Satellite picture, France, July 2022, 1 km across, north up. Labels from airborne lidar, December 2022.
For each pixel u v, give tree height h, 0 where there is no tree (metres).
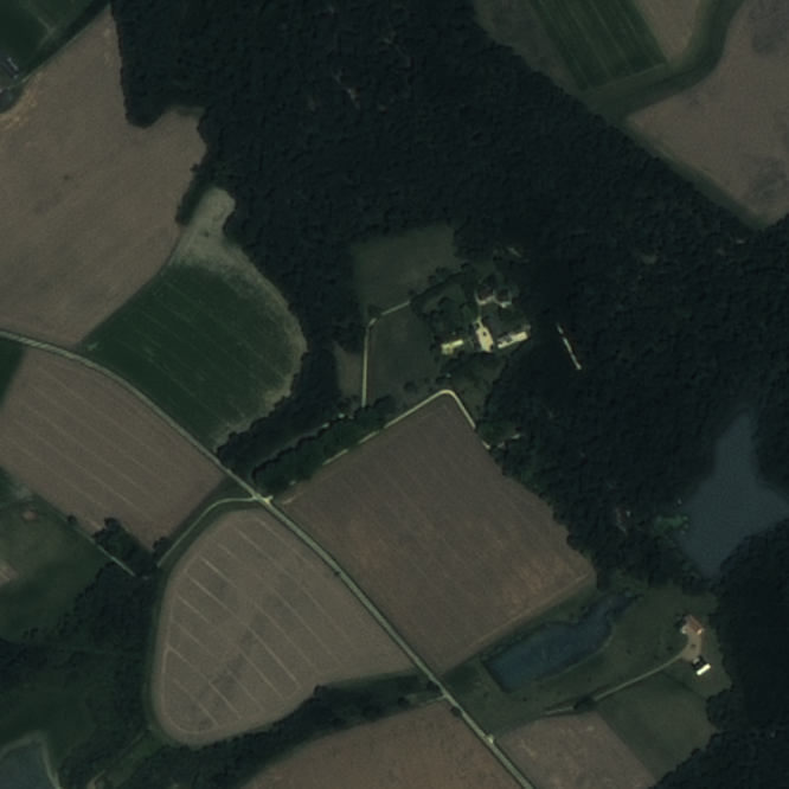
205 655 0
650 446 20
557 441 27
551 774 0
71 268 0
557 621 0
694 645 0
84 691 0
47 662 12
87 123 0
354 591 0
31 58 0
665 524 0
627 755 0
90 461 0
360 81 21
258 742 19
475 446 0
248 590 0
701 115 0
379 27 23
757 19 0
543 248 8
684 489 19
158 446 0
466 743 0
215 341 0
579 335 25
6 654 25
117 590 24
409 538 0
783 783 20
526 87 19
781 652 7
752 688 9
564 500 20
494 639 0
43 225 0
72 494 0
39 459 0
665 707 0
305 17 6
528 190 21
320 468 19
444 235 0
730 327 23
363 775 0
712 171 0
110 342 0
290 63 21
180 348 0
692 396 23
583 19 0
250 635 0
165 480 0
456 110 21
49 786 0
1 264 0
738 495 0
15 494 0
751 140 0
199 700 0
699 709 0
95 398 0
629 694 0
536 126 22
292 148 21
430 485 0
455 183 13
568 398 9
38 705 0
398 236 12
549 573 0
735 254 19
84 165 0
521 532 0
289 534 0
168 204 0
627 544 6
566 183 20
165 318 0
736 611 7
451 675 0
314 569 0
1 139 0
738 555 11
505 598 0
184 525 0
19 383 0
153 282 0
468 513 0
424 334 0
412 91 21
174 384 0
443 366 11
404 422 0
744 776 21
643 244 19
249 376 0
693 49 0
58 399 0
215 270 0
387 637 0
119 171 0
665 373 6
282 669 0
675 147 0
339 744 0
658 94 0
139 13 22
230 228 14
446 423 0
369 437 0
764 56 0
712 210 13
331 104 24
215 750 9
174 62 26
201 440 0
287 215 23
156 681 0
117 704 10
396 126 9
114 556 24
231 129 20
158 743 0
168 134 0
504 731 0
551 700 0
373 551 0
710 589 10
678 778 17
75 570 0
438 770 0
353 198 24
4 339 0
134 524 0
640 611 0
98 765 16
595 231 16
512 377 19
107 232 0
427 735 0
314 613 0
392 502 0
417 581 0
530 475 21
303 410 12
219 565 0
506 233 8
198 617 0
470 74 16
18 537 0
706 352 20
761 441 21
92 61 0
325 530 0
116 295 0
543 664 0
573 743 0
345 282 22
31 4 0
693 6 0
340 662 0
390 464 0
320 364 23
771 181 0
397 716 0
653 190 13
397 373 0
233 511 0
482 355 13
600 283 18
